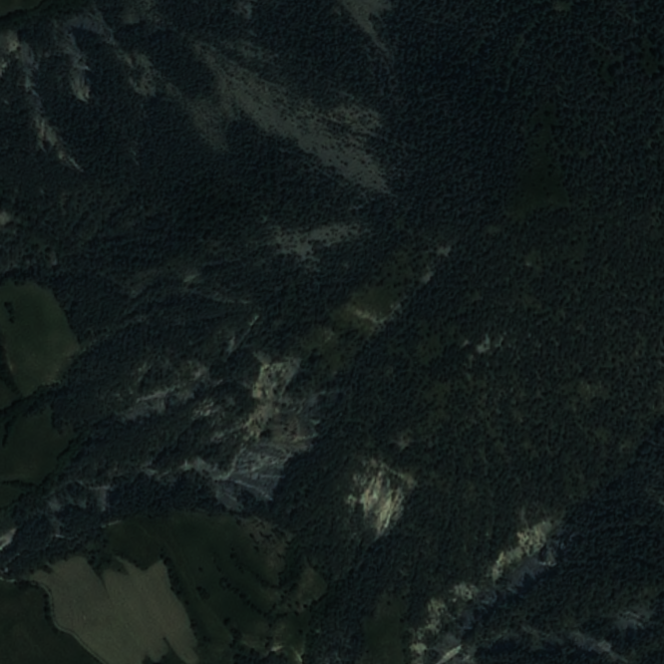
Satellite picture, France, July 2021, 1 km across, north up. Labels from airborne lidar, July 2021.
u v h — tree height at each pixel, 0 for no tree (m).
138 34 13
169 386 7
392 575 10
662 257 9
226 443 6
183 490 17
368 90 10
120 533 0
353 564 14
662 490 8
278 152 8
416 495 7
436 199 6
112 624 0
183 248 9
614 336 9
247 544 0
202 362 9
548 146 9
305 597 0
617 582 12
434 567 10
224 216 13
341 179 11
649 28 10
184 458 10
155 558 0
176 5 15
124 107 12
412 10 8
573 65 14
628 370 8
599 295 8
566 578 12
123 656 0
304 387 8
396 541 8
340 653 8
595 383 9
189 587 0
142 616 0
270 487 0
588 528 8
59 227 12
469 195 10
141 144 8
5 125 12
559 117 13
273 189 9
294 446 0
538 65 10
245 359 9
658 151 16
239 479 0
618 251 11
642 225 10
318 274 7
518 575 0
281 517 13
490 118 11
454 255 9
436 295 14
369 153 8
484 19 12
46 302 0
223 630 0
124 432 9
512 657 16
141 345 11
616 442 11
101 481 12
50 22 16
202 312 10
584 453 13
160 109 12
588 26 14
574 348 10
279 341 7
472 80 17
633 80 13
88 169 11
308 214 9
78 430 12
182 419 11
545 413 10
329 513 6
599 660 6
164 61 12
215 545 0
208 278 9
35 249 11
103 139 16
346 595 18
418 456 9
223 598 0
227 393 10
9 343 0
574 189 13
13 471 0
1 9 0
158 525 0
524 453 9
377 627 0
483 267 11
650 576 9
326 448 10
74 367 11
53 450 0
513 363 7
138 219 9
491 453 10
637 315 12
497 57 9
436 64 6
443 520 7
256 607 11
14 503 10
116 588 0
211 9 8
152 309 10
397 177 6
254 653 11
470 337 9
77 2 9
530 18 9
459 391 9
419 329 7
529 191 0
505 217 9
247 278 10
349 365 8
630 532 10
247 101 0
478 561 7
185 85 9
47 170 11
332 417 9
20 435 0
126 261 10
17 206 14
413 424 7
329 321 11
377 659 0
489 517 8
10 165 15
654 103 14
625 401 11
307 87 8
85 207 8
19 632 0
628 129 18
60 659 0
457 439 9
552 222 12
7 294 0
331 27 10
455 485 9
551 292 14
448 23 11
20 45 6
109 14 11
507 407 9
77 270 15
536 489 6
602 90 15
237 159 10
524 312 11
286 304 7
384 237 7
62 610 0
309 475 14
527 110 12
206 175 7
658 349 16
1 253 12
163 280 6
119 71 12
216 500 13
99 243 10
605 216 8
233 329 6
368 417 8
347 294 9
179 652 0
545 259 8
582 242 10
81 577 0
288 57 13
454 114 13
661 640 12
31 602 0
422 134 11
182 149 12
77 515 13
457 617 10
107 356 10
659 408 13
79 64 0
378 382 7
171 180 12
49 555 11
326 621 16
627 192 14
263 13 11
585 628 9
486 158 16
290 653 0
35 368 0
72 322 15
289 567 6
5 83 10
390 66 9
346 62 8
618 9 7
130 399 12
